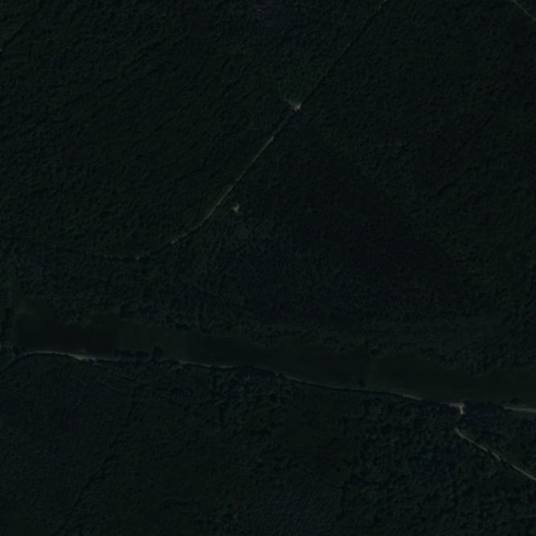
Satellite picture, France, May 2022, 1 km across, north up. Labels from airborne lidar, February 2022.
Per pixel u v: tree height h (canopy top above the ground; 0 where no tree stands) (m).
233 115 12
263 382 31
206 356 0
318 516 10
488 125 7
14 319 11
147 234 21
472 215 22
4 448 10
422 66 15
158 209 15
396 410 27
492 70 7
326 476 11
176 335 0
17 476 10
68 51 21
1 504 12
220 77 17
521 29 11
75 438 11
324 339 6
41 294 19
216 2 12
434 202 20
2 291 22
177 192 16
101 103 14
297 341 0
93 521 17
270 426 14
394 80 20
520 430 10
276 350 0
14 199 23
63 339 0
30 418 12
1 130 22
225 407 26
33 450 11
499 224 21
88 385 11
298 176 12
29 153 20
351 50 10
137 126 14
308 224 12
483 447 0
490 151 10
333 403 14
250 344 0
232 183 18
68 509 13
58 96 19
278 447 20
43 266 18
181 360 0
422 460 31
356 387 0
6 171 22
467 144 8
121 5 21
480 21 10
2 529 11
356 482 30
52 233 20
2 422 9
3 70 19
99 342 0
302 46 21
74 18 21
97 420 11
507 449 29
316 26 17
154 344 0
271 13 23
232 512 24
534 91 9
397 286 14
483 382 0
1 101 23
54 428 11
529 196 21
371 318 21
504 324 17
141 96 14
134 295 19
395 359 0
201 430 24
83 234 18
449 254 11
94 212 18
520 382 0
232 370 10
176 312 6
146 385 17
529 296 15
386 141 18
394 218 13
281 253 14
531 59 12
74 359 7
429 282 16
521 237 13
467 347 15
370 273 17
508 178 17
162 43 18
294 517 11
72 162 20
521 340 17
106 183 21
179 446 21
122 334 0
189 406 15
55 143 23
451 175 9
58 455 11
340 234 12
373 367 0
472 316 15
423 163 10
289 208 12
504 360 23
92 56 17
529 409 0
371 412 29
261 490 10
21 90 22
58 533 11
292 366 0
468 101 11
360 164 14
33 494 10
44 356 10
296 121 23
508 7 20
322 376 0
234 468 22
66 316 18
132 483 21
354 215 10
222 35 19
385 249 9
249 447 25
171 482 19
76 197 17
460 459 31
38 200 17
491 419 28
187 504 19
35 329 0
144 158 16
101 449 10
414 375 0
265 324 15
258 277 6
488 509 32
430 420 26
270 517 11
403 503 30
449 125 7
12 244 21
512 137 8
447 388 0
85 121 16
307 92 14
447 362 21
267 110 10
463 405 0
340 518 21
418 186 16
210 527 15
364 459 24
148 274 22
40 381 10
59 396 14
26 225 21
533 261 13
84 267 20
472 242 20
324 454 11
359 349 0
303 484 8
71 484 12
